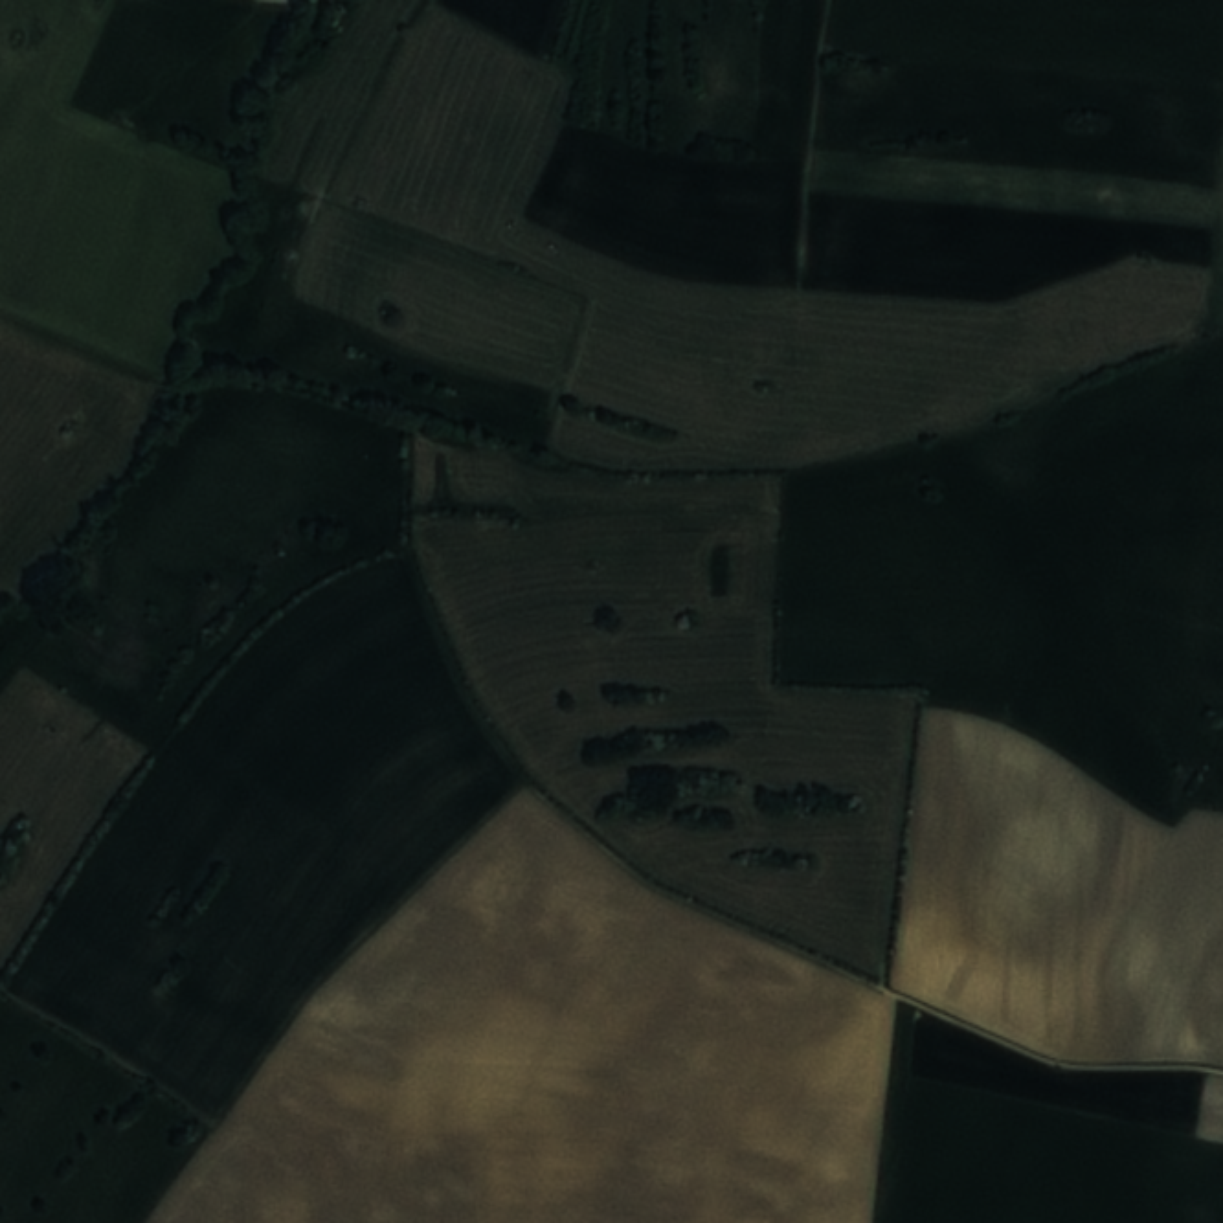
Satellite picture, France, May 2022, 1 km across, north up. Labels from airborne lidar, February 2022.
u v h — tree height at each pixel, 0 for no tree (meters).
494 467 0
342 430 0
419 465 0
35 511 0
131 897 0
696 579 0
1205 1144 0
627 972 0
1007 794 0
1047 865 0
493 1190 0
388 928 0
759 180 0
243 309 0
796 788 0
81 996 0
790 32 0
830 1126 0
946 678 0
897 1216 0
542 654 0
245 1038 0
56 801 0
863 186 0
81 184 0
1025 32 0
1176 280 0
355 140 0
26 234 0
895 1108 0
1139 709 0
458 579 0
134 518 0
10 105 0
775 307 0
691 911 0
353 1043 0
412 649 0
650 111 7
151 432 17
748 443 0
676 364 0
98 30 0
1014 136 0
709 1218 0
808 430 0
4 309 0
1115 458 0
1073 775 0
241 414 0
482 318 0
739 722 0
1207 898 0
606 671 0
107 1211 0
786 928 0
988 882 0
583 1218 0
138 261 0
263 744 0
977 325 0
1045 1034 0
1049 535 0
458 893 0
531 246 0
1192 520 0
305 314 0
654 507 0
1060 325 0
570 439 0
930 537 0
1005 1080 0
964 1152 0
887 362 0
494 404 0
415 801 0
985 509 0
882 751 0
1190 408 0
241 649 6
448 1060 0
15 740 0
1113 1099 0
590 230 0
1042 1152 0
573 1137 0
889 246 0
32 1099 0
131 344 0
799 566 0
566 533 0
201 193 0
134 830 0
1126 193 0
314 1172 0
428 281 0
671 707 0
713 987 0
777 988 0
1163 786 0
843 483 0
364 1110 0
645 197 0
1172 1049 0
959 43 0
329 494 0
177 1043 0
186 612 0
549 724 0
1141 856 0
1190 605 0
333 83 0
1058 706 0
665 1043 0
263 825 0
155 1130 0
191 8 0
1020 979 0
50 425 0
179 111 0
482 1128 0
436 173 0
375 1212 0
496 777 0
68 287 0
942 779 0
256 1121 0
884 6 0
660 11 6
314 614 0
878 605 0
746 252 0
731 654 0
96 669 0
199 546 0
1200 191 0
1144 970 0
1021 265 0
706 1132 0
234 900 0
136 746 0
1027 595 0
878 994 0
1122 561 0
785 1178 0
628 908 0
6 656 0
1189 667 0
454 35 0
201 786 0
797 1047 0
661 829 0
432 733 0
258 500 0
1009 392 0
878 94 0
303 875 0
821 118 0
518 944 0
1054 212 0
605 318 0
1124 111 0
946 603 0
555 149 0
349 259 0
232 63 0
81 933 0
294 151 0
